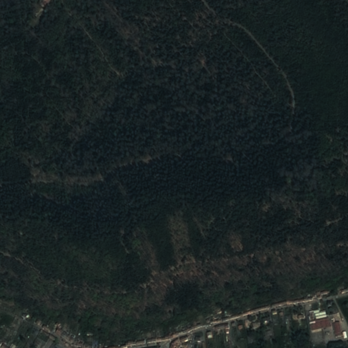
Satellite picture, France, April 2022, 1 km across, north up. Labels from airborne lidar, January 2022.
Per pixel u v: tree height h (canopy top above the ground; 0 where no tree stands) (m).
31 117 15
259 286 27
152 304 23
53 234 17
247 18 12
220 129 8
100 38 14
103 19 18
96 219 28
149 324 23
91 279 19
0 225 17
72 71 26
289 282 29
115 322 23
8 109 17
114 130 13
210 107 33
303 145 24
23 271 20
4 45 13
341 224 9
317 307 0
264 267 28
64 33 16
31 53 13
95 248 21
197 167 28
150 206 18
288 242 28
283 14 10
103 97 13
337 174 15
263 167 27
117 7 26
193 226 16
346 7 15
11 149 15
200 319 0
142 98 14
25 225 19
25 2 34
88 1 20
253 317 11
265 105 7
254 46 29
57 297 17
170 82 19
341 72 10
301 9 10
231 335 0
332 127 12
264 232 26
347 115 9
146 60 23
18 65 13
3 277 24
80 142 11
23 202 26
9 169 18
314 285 19
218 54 24
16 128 15
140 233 23
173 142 29
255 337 13
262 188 22
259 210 10
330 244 20
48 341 0
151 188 23
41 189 7
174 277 27
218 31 25
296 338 25
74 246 14
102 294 16
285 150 26
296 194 9
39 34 23
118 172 20
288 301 0
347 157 10
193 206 21
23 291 29
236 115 26
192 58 33
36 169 16
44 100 13
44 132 14
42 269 19
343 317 0
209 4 10
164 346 0
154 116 11
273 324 16
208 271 16
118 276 23
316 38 9
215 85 29
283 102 11
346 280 21
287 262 15
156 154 30
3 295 28
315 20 10
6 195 24
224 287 23
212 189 23
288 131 25
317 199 19
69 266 20
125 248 23
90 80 11
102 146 15
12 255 24
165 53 34
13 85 15
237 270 23
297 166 20
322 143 15
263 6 6
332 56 11
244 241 17
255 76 29
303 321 12
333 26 11
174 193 28
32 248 18
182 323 13
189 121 8
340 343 13
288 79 10
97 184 9
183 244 18
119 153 12
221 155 32
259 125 36
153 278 21
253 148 28
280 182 23
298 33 11
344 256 18
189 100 35
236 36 15
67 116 30
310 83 11
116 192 25
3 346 0
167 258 21
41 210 27
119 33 26
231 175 33
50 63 14
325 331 0
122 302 24
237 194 29
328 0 15
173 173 27
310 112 9
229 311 20
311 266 26
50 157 11
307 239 22
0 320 0
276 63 11
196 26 8
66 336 0
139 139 35
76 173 31
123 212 27
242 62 14
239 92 30
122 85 14
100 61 10
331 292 9
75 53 19
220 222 26
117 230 28
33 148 15
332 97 10
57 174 12
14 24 10
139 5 10
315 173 22
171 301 28
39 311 17
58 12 14
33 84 14
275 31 29
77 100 15
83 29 16
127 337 19
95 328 10
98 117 26
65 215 23
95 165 25
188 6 7
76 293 14
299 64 11
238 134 29
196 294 27
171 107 14
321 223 25
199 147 19
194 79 31
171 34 12
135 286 17
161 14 11
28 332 10
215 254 19
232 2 25
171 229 11
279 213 26
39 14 0
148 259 21
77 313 21
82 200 7
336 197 23
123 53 28
